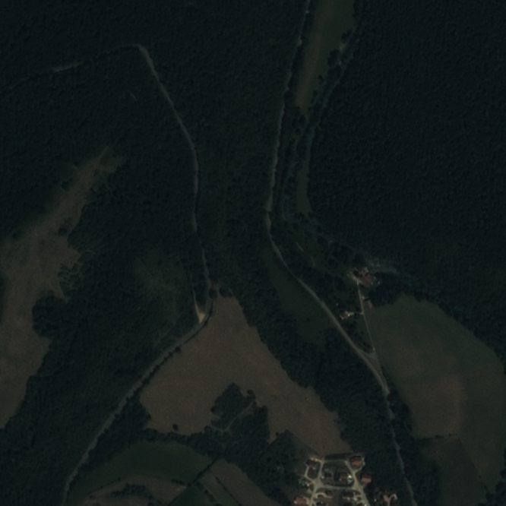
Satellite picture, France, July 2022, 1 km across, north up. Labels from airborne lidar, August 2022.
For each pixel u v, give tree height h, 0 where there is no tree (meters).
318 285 21
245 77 17
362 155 15
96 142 14
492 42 16
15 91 15
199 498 0
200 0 18
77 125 10
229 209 17
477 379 0
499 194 20
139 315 7
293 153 21
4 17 15
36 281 0
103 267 14
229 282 10
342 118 21
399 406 14
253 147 14
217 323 0
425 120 15
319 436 0
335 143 20
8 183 27
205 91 20
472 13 17
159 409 0
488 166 16
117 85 18
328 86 19
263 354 0
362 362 7
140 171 16
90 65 20
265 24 18
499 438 0
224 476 0
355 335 12
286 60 18
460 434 0
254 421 9
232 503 0
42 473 11
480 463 0
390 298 25
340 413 9
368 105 22
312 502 0
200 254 16
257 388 0
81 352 16
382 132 19
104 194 19
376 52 20
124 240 14
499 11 16
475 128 16
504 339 10
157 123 20
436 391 0
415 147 18
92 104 21
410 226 15
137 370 17
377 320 0
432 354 0
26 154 23
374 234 15
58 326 19
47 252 0
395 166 17
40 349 0
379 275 14
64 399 11
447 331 0
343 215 19
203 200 19
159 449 0
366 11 18
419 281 23
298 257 14
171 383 0
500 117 17
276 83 16
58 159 16
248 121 17
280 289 0
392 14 14
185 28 18
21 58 16
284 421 0
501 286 7
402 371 0
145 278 0
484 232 15
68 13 21
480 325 15
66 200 0
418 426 0
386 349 0
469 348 0
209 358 0
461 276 16
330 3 0
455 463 0
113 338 7
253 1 17
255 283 15
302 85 0
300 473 0
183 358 0
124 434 19
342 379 23
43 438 14
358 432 9
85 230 9
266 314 20
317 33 0
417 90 13
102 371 6
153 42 13
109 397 8
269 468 6
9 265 0
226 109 22
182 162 9
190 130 19
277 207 20
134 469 0
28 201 23
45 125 22
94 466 18
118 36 19
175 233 9
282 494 8
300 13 17
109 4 17
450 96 16
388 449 17
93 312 12
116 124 13
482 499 0
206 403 0
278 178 14
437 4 14
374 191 14
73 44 21
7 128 17
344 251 19
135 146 19
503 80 16
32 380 12
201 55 16
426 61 18
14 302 0
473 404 0
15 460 16
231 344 0
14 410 0
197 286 10
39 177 23
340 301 6
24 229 0
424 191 16
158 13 14
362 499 0
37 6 23
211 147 19
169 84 18
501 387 0
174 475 0
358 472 0
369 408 18
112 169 0
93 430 9
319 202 16
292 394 0
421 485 17
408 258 11
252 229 16
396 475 10
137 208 18
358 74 20
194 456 0
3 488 17
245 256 21
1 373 0
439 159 16
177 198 13
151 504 10
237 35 17
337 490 0
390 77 21
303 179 0
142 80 16
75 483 13
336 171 21
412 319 0
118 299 15
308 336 0
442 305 12
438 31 17
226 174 21
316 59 0
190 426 0
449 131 15
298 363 15
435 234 14
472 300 12
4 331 0
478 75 17
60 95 22
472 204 18
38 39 17
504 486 13
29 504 15
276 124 14
